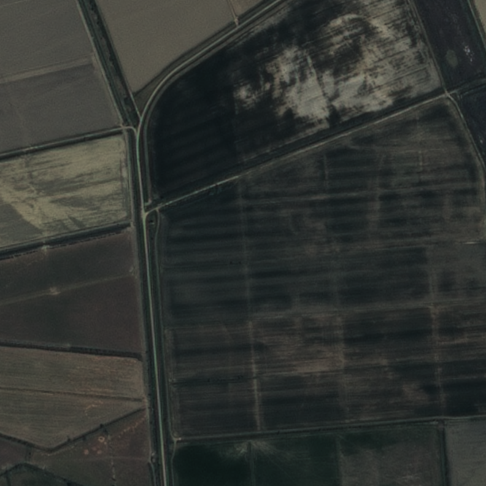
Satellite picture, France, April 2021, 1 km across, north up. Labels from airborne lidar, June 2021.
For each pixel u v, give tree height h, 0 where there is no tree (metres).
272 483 0
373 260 0
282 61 0
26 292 0
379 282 0
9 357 0
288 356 0
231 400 0
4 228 0
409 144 0
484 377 0
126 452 0
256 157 0
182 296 0
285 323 0
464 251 0
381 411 0
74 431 0
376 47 0
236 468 0
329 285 0
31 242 0
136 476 0
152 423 6
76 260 0
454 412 0
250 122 0
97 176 0
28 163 0
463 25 0
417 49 0
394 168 0
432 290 0
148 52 0
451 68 0
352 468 0
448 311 0
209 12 0
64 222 0
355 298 0
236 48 0
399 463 0
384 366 0
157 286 0
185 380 0
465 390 0
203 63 0
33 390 0
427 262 0
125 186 0
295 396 0
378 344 0
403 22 0
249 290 0
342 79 0
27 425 0
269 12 0
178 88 0
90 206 0
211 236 0
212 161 0
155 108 0
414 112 0
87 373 0
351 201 0
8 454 0
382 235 0
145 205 0
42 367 0
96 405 0
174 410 0
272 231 0
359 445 0
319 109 0
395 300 0
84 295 0
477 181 0
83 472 0
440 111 0
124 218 0
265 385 0
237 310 0
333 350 0
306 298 0
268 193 0
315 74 0
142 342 0
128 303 0
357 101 0
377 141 0
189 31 0
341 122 0
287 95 0
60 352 6
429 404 0
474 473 0
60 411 0
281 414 0
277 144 0
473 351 0
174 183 0
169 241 0
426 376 0
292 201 0
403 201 0
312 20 0
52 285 0
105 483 0
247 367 0
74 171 0
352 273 0
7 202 0
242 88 0
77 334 0
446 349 0
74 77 0
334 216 0
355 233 0
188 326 0
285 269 0
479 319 0
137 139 0
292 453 0
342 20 0
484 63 0
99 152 0
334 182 0
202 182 0
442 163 0
